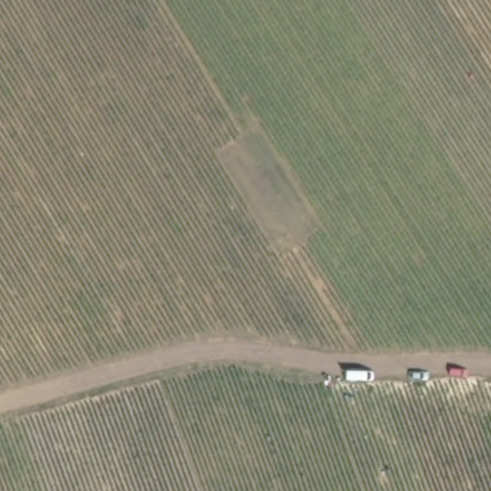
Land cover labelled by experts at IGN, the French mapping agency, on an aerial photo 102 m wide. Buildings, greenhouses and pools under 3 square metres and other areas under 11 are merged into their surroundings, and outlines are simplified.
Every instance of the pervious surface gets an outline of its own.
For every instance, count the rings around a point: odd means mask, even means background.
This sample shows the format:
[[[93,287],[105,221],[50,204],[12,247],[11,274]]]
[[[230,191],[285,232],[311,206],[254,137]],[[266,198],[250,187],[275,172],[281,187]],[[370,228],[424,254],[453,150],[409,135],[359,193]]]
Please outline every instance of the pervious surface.
[[[276,362],[301,370],[315,370],[324,380],[343,382],[347,378],[353,382],[366,384],[374,382],[376,376],[391,382],[397,378],[412,378],[426,374],[451,374],[453,370],[456,374],[491,376],[491,353],[462,351],[449,355],[370,355],[359,357],[357,362],[347,362],[345,357],[338,353],[288,349],[267,345],[261,341],[198,341],[180,345],[175,349],[165,349],[159,353],[138,355],[129,361],[104,362],[98,368],[61,376],[54,382],[36,382],[31,386],[0,391],[0,412],[38,405],[67,393],[79,393],[82,389],[105,386],[148,372],[159,372],[178,364],[207,361],[228,361],[230,364],[236,364],[242,359]]]

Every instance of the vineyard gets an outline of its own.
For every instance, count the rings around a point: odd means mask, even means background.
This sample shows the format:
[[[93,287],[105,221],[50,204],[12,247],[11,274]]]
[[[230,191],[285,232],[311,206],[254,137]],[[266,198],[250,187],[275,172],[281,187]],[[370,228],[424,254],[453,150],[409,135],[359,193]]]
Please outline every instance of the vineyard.
[[[376,376],[374,382],[366,384],[353,382],[347,378],[343,382],[324,380],[315,370],[301,370],[276,362],[242,359],[236,364],[230,364],[228,361],[207,361],[178,364],[159,372],[148,372],[105,386],[82,389],[79,393],[67,393],[38,405],[0,412],[0,491],[491,491],[491,376],[456,374],[453,370],[451,374],[426,374],[412,378],[397,378],[391,382]]]
[[[98,368],[104,362],[129,361],[138,355],[159,353],[165,349],[175,349],[180,345],[198,341],[261,341],[267,345],[288,349],[338,353],[345,357],[347,362],[357,362],[359,357],[370,355],[449,355],[462,351],[491,353],[491,0],[0,0],[0,391],[31,386],[36,382],[54,382],[61,376]]]

